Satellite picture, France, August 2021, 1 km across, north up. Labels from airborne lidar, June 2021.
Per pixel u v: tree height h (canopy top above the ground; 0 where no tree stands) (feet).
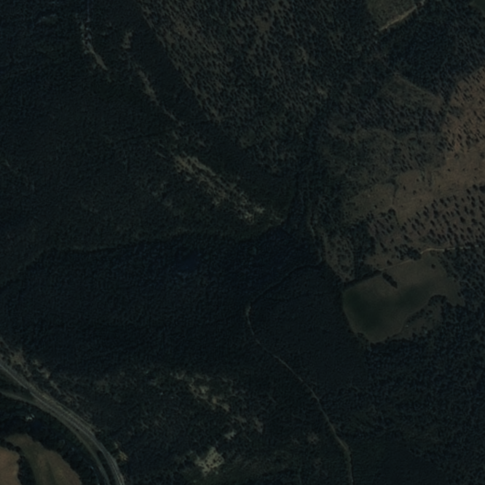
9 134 53
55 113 54
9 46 52
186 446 51
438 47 56
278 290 52
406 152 0
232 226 31
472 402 59
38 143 51
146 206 48
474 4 0
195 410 32
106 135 35
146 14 40
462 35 34
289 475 23
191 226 47
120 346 43
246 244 44
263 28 0
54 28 43
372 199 0
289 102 49
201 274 37
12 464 0
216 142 55
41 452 0
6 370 0
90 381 31
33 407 33
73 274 42
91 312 52
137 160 31
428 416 59
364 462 24
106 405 57
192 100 49
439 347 33
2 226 37
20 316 64
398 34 66
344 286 40
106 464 31
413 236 0
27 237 52
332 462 18
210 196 24
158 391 39
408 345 39
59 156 46
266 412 28
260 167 54
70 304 47
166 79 55
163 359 30
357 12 57
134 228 50
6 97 35
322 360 61
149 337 28
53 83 30
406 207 0
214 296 27
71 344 53
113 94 28
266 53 28
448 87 37
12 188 50
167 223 63
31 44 38
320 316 59
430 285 0
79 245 49
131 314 44
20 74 25
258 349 55
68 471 0
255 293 44
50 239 63
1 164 52
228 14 37
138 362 31
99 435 36
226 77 40
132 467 52
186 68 41
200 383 27
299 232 34
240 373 43
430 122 35
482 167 0
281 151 51
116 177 51
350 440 46
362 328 0
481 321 38
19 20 36
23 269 42
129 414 41
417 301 0
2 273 60
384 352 29
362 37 44
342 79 55
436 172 0
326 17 39
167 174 44
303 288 53
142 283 40
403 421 47
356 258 24
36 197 43
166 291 56
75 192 43
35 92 54
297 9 38
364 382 58
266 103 27
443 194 0
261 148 49
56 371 60
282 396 33
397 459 27
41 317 57
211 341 31
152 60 47
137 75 30
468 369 54
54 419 26
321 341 64
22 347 36
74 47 28
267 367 45
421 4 30
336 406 67
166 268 60
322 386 42
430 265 0
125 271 34
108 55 32
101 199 44
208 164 27
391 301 0
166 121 34
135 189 47
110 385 45
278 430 31
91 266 37
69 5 22
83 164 46
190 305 34
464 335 39
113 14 45
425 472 26
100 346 42
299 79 45
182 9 43
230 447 38
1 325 61
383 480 28
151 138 42
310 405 44
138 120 38
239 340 54
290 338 61
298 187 50
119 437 46
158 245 58
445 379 59
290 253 33
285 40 46
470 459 55
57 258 31
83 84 31
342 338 55
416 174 0
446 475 26
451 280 0
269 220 28
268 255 33
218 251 30
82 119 47
